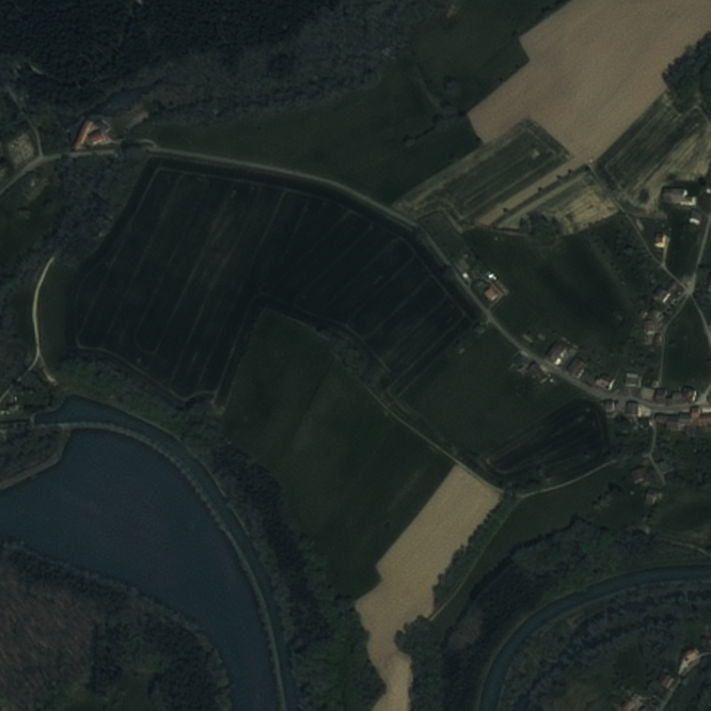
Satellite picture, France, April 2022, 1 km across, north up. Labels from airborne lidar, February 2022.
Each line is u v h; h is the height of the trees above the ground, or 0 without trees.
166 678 15
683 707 0
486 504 0
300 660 24
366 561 0
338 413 0
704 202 0
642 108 0
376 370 14
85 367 20
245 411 0
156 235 0
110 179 21
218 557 0
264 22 26
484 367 0
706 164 0
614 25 0
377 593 0
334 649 29
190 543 0
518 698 8
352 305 0
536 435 0
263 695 0
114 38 27
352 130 0
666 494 8
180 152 0
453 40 0
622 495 20
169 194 0
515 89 0
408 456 0
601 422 0
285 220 0
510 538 0
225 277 0
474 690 30
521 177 0
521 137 0
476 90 0
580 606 0
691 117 0
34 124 25
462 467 0
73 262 20
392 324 0
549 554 24
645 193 0
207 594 0
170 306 0
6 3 30
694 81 25
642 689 0
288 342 0
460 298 0
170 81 13
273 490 20
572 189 0
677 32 0
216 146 0
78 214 23
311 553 23
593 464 0
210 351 0
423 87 0
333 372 0
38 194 0
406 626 0
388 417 0
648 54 0
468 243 0
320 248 0
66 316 0
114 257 0
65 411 0
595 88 0
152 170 0
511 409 0
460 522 0
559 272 0
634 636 23
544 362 0
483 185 0
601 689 0
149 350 0
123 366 0
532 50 0
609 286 0
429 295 0
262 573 0
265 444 0
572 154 0
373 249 0
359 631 16
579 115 0
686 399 0
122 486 0
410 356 0
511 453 0
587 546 29
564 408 0
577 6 0
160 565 0
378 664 0
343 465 0
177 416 23
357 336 0
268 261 0
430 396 0
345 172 0
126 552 0
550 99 0
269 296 0
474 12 0
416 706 17
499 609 31
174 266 0
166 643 25
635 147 0
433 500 0
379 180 0
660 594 25
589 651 24
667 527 0
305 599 18
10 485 0
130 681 0
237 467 21
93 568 0
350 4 26
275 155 0
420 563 0
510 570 27
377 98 0
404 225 0
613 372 0
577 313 0
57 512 0
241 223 0
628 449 18
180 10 27
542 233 27
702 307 9
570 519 0
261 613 8
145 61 27
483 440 0
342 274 0
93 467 0
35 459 21
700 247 0
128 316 0
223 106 9
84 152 0
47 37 30
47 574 25
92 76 28
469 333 0
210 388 0
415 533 0
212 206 0
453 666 24
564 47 0
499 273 0
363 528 0
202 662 26
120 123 0
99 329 0
